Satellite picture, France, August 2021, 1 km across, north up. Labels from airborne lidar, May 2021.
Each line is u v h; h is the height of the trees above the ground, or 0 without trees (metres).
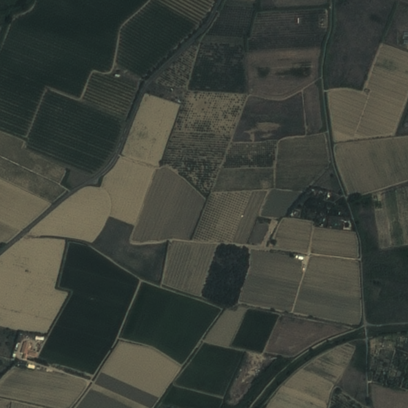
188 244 0
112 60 6
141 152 0
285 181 0
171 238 0
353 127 0
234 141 0
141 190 0
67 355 0
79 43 5
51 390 0
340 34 0
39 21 6
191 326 0
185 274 0
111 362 0
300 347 0
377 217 0
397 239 0
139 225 0
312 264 0
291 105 0
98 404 0
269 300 0
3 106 6
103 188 0
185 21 6
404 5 0
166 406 0
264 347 0
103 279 0
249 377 0
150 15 6
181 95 0
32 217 0
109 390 0
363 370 0
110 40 6
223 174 0
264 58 0
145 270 0
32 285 0
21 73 6
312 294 0
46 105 6
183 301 0
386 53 0
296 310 0
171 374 0
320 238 0
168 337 0
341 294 0
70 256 0
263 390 0
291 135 0
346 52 0
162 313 0
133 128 0
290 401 0
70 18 6
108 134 6
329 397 0
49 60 5
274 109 0
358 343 0
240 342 0
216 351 0
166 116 0
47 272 0
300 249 0
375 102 0
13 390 0
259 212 0
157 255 0
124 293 0
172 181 0
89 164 6
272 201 0
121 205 0
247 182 0
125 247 0
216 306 0
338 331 0
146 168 0
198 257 0
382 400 0
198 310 0
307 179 0
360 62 0
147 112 0
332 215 5
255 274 0
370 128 0
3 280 0
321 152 0
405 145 0
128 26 6
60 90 6
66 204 0
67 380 0
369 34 0
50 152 6
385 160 0
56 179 0
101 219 0
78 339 0
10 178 0
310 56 0
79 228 0
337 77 0
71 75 5
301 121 0
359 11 0
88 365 0
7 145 0
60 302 0
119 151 0
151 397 0
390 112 0
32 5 6
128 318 0
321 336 0
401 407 0
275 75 0
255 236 0
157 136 0
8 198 0
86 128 6
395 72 0
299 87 0
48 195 0
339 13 0
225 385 0
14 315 0
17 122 6
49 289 0
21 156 0
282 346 0
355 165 0
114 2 6
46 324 0
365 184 0
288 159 0
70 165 6
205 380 0
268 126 0
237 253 7
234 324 0
